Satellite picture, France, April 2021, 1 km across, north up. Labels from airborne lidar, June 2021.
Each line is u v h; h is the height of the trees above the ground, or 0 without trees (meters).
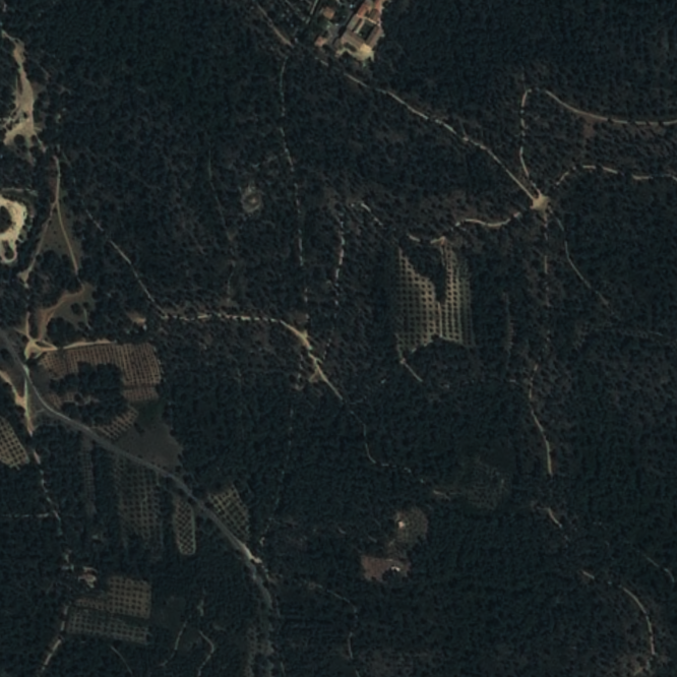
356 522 16
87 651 11
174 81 19
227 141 14
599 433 14
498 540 18
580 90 12
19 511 14
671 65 9
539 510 13
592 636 15
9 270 10
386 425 16
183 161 11
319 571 18
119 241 9
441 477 19
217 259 14
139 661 13
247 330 12
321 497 18
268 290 13
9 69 12
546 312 16
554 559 16
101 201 14
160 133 13
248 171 9
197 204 8
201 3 16
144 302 16
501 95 13
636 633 14
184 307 15
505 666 11
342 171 10
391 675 0
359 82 0
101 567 14
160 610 0
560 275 14
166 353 11
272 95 12
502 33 13
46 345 0
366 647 7
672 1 14
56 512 10
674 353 14
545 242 16
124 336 13
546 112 12
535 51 10
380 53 16
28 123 0
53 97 12
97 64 17
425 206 0
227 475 17
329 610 12
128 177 12
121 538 15
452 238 15
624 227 14
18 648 15
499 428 17
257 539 9
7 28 13
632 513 16
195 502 14
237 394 17
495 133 17
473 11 13
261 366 9
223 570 10
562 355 15
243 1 19
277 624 14
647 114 13
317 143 10
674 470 11
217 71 16
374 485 16
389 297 15
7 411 14
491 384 16
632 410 11
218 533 8
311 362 10
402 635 11
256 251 13
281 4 9
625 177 15
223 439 16
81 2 17
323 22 9
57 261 12
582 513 15
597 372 13
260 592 19
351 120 10
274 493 12
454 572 17
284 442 16
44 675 14
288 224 14
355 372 11
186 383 11
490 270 14
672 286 10
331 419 17
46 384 0
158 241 13
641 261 18
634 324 13
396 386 14
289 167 14
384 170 13
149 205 13
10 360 11
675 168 11
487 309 18
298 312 17
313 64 16
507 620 20
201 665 7
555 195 15
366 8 0
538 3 19
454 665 16
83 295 0
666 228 15
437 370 13
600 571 18
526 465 12
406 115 17
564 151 13
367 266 12
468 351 16
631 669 12
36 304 9
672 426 9
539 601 16
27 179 10
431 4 14
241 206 6
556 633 16
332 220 15
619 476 10
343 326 17
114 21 18
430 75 11
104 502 16
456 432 17
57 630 9
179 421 14
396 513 15
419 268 9
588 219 16
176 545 13
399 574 15
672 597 13
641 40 10
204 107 16
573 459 14
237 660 7
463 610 15
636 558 19
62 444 13
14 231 0
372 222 10
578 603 13
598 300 18
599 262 18
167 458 0
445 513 15
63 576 13
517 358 15
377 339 14
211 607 7
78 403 12
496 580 19
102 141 14
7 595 16
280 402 16
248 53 16
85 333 8
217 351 10
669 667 13
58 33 16
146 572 14
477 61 14
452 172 11
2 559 14
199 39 15
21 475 13
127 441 0
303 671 11
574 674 15
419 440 15
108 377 15
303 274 15
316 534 12
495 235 13
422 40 15
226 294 15
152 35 18
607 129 13
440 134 12
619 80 10
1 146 10
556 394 10
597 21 13
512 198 15
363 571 17
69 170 18
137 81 14
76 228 7
